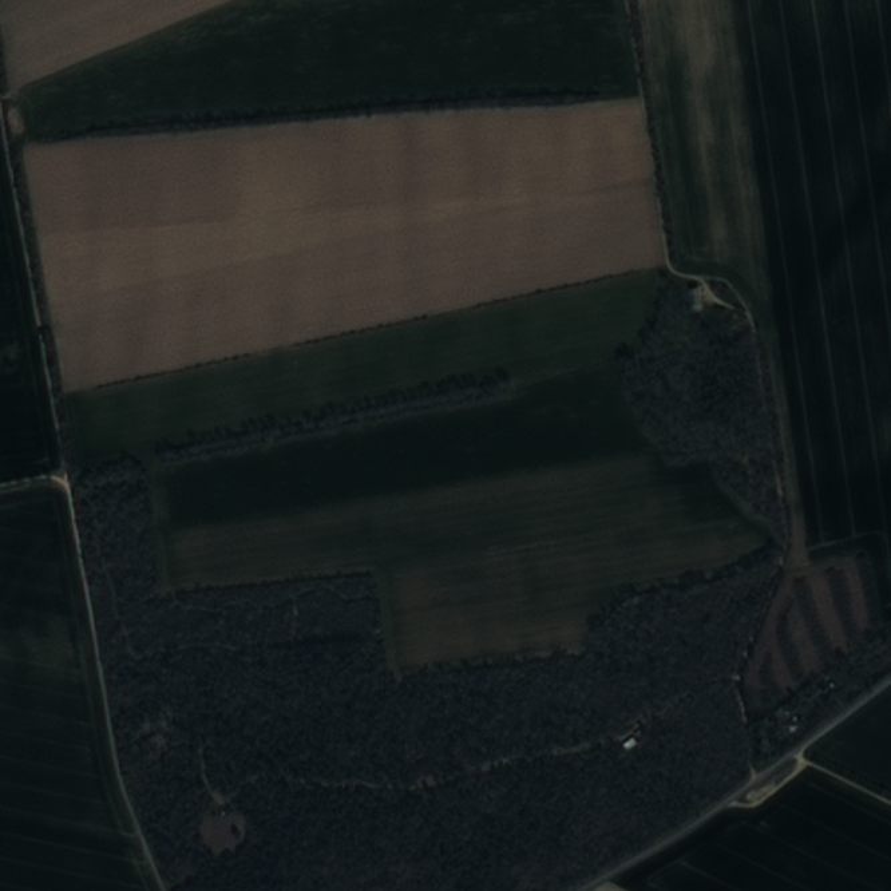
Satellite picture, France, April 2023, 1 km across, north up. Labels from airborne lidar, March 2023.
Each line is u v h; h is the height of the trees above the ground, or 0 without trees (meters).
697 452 16
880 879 0
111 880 0
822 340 0
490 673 12
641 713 7
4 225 0
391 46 0
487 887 10
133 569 9
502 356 0
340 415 13
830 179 0
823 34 0
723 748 9
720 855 0
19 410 0
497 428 0
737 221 0
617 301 0
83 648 0
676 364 22
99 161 0
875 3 0
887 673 8
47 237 0
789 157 0
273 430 18
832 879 0
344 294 0
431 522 0
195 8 0
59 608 0
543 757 10
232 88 0
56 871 0
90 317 0
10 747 0
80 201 0
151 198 0
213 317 0
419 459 0
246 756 11
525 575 0
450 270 0
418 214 0
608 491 0
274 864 9
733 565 0
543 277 0
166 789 10
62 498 0
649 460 0
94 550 10
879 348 0
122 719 11
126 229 0
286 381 0
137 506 15
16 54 0
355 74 0
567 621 0
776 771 0
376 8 0
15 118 0
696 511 0
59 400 7
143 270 0
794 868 0
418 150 0
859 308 0
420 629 0
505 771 7
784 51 0
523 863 10
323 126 0
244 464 0
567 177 0
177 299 0
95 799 0
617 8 0
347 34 0
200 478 0
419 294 0
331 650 16
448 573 0
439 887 8
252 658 14
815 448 0
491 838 10
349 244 0
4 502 0
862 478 0
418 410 14
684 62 0
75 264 0
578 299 0
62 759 0
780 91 0
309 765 11
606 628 13
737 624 13
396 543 0
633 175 0
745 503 12
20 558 0
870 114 0
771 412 18
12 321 0
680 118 0
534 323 0
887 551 0
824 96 0
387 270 0
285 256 0
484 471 0
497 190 0
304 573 0
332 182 0
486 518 0
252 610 12
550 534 0
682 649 7
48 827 0
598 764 13
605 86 0
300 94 0
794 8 0
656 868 0
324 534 0
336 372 0
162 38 0
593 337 0
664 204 8
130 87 0
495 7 0
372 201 0
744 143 0
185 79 0
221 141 0
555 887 11
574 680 13
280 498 0
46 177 0
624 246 0
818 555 0
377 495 0
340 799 9
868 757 0
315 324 0
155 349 0
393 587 0
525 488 0
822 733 0
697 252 0
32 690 0
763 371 18
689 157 0
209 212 0
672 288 12
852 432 0
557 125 0
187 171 0
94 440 0
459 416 0
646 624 15
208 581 0
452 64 0
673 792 12
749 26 0
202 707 15
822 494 0
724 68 0
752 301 0
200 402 0
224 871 12
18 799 0
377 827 10
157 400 0
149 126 11
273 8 0
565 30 0
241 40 0
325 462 0
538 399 0
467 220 0
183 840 10
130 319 0
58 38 0
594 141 0
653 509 0
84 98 0
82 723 0
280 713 7
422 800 11
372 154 0
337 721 10
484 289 0
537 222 0
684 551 0
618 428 0
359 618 7
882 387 0
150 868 0
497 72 0
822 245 0
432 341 0
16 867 0
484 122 0
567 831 13
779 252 0
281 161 0
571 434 0
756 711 8
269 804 10
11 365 10
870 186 0
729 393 17
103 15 0
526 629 0
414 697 12
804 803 0
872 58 0
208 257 0
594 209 0
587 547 0
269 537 0
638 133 0
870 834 0
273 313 0
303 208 0
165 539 0
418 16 0
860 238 0
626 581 0
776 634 10
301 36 0
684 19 0
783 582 11
